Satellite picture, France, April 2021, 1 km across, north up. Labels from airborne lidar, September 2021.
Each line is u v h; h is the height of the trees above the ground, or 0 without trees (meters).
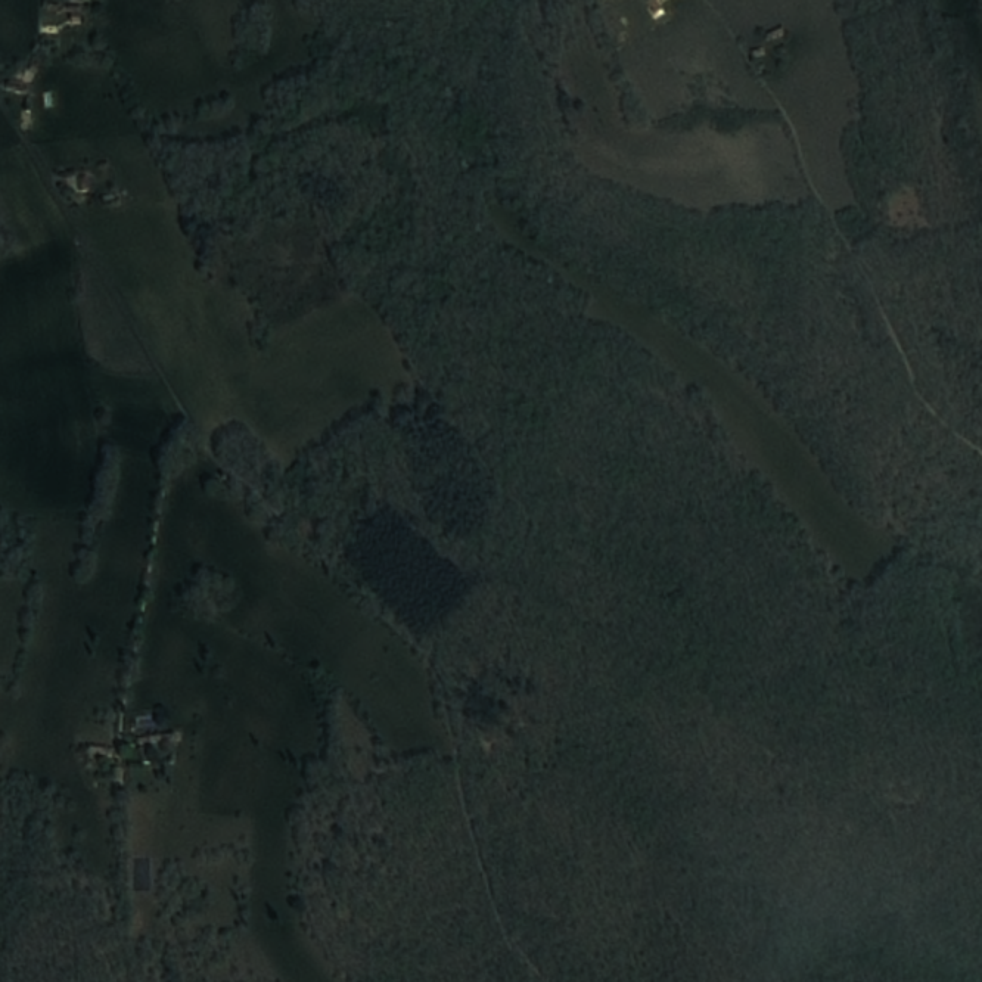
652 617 16
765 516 17
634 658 16
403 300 13
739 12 0
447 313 15
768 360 18
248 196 16
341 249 17
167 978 13
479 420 22
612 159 0
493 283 17
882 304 10
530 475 17
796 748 13
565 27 11
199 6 0
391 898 12
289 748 0
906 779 11
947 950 16
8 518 11
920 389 11
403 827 14
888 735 16
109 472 19
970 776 14
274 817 0
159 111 0
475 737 15
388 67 21
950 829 15
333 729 16
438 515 21
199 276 14
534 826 14
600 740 21
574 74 0
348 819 13
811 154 0
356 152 14
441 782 17
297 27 0
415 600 19
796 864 12
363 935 10
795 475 0
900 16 15
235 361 0
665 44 0
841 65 0
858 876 14
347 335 0
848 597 12
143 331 0
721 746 11
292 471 7
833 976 14
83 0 0
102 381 0
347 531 19
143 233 0
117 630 0
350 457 22
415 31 17
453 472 20
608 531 13
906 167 15
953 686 20
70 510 0
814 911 17
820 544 0
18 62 10
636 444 17
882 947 15
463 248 19
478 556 14
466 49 20
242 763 0
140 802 0
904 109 15
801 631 18
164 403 0
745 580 20
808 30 0
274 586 0
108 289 0
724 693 18
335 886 13
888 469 9
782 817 12
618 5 0
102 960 10
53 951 8
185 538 0
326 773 15
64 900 14
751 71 8
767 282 17
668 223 14
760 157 0
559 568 15
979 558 9
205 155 20
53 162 0
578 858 15
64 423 0
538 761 10
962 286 15
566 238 22
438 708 12
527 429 21
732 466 16
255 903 0
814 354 13
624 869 14
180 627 0
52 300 0
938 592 27
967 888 15
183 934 9
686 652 15
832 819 14
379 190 15
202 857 13
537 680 12
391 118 18
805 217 12
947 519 10
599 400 17
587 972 13
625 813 13
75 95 0
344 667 0
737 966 14
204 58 0
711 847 16
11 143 0
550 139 14
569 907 11
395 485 21
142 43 0
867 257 12
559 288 18
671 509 16
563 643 14
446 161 19
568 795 13
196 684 0
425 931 12
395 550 17
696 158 0
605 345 20
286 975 0
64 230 0
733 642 16
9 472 0
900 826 12
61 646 0
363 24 22
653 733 13
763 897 19
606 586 15
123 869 11
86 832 8
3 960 12
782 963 17
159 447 0
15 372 0
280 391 0
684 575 18
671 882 13
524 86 15
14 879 15
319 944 12
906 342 12
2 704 0
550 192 13
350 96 18
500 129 21
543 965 16
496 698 10
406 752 0
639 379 18
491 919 15
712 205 0
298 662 6
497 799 13
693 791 14
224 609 19
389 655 6
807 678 18
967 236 15
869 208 6
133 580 0
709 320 15
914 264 14
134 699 14
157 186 0
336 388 0
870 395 13
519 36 20
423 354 17
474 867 17
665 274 15
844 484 19
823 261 13
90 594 0
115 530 0
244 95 0
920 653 21
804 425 15
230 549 0
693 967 12
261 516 20
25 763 0
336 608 0
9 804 14
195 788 0
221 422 0
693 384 0
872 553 0
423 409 17
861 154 7
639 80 0
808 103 0
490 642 13
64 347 0
